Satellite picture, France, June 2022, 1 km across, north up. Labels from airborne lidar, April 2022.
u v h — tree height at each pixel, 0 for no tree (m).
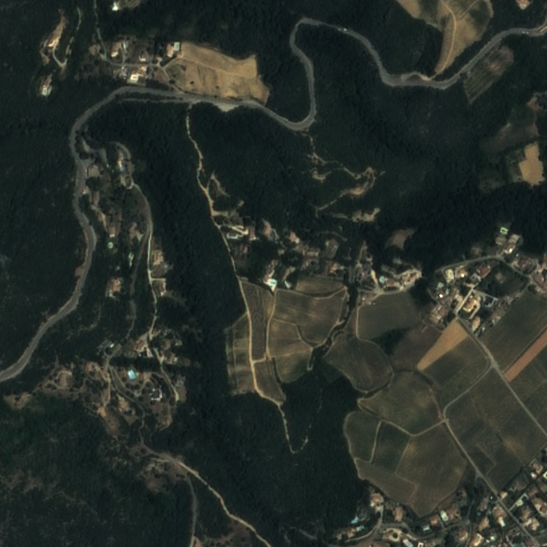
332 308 0
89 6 14
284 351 0
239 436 10
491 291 13
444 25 0
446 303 0
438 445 0
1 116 8
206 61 0
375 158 9
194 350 16
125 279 7
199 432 8
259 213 14
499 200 20
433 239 15
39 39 9
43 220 6
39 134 8
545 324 0
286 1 7
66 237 7
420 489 0
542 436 0
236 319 9
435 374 0
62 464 8
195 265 12
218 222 7
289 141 11
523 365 0
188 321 15
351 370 0
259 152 8
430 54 13
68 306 0
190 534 9
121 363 13
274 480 8
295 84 8
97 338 7
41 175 11
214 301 8
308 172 6
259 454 8
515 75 8
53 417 9
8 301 6
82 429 8
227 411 9
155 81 7
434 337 0
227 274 7
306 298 0
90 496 6
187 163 9
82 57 9
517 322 0
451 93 9
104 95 11
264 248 11
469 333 0
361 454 0
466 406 0
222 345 6
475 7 0
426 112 6
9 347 6
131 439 8
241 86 0
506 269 7
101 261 6
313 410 8
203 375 11
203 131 12
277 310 0
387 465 0
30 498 6
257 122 11
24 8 11
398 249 15
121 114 16
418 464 0
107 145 13
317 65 10
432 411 0
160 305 9
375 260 12
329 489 9
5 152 8
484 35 7
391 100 8
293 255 8
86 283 8
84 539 8
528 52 8
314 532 9
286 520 11
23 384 8
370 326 0
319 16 8
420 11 0
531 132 0
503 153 7
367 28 8
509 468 0
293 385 10
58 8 10
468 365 0
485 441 0
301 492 7
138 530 6
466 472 0
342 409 8
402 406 0
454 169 8
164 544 8
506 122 12
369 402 0
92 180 15
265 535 7
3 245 9
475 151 16
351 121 14
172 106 9
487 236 13
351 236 13
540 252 9
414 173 6
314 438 8
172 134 9
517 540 12
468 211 22
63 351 13
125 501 6
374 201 7
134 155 8
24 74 9
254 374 0
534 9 8
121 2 0
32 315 6
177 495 8
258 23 22
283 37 17
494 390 0
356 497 12
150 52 13
